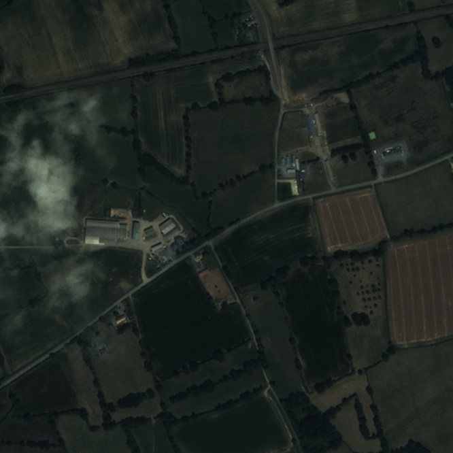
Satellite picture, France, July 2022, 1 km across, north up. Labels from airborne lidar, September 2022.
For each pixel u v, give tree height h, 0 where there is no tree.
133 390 0
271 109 0
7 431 0
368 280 0
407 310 0
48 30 0
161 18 0
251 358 0
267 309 0
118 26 0
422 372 0
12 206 0
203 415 7
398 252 0
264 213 0
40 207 0
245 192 0
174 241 0
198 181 0
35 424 0
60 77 0
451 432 0
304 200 0
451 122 0
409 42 0
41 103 0
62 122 0
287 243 0
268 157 0
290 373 0
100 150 0
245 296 0
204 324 0
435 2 0
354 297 0
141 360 0
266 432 0
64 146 0
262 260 0
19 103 6
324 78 0
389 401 0
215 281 0
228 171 0
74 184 0
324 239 0
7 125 0
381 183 0
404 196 0
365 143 10
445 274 0
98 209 0
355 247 0
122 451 0
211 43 0
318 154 0
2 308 0
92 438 0
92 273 0
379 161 0
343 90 7
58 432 6
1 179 0
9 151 0
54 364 0
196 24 0
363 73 0
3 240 0
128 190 0
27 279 0
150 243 0
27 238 0
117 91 0
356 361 0
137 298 0
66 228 0
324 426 16
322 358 0
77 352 0
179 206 0
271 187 0
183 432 0
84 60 0
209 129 0
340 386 0
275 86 0
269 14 0
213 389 15
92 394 0
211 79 0
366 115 0
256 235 0
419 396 0
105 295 0
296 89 0
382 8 0
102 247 0
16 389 0
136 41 0
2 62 6
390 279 0
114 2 0
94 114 0
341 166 0
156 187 0
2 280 0
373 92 0
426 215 0
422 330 0
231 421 0
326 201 0
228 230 0
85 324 0
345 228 0
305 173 0
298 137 0
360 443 0
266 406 0
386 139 0
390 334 0
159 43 0
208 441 0
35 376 0
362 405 10
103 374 0
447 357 0
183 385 0
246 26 14
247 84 0
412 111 0
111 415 11
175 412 0
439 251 0
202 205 0
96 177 0
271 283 12
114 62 0
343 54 0
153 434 0
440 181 0
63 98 0
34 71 0
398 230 0
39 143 0
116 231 0
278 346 0
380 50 0
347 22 0
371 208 0
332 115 0
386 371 0
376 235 0
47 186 12
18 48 0
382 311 0
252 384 0
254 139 0
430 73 17
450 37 0
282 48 9
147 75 16
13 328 0
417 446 17
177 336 0
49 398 0
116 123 0
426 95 0
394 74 0
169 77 0
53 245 6
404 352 0
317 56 0
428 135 0
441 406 0
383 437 8
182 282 0
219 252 7
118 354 0
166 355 0
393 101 0
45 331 0
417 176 0
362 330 0
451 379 0
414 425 0
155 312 0
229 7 0
